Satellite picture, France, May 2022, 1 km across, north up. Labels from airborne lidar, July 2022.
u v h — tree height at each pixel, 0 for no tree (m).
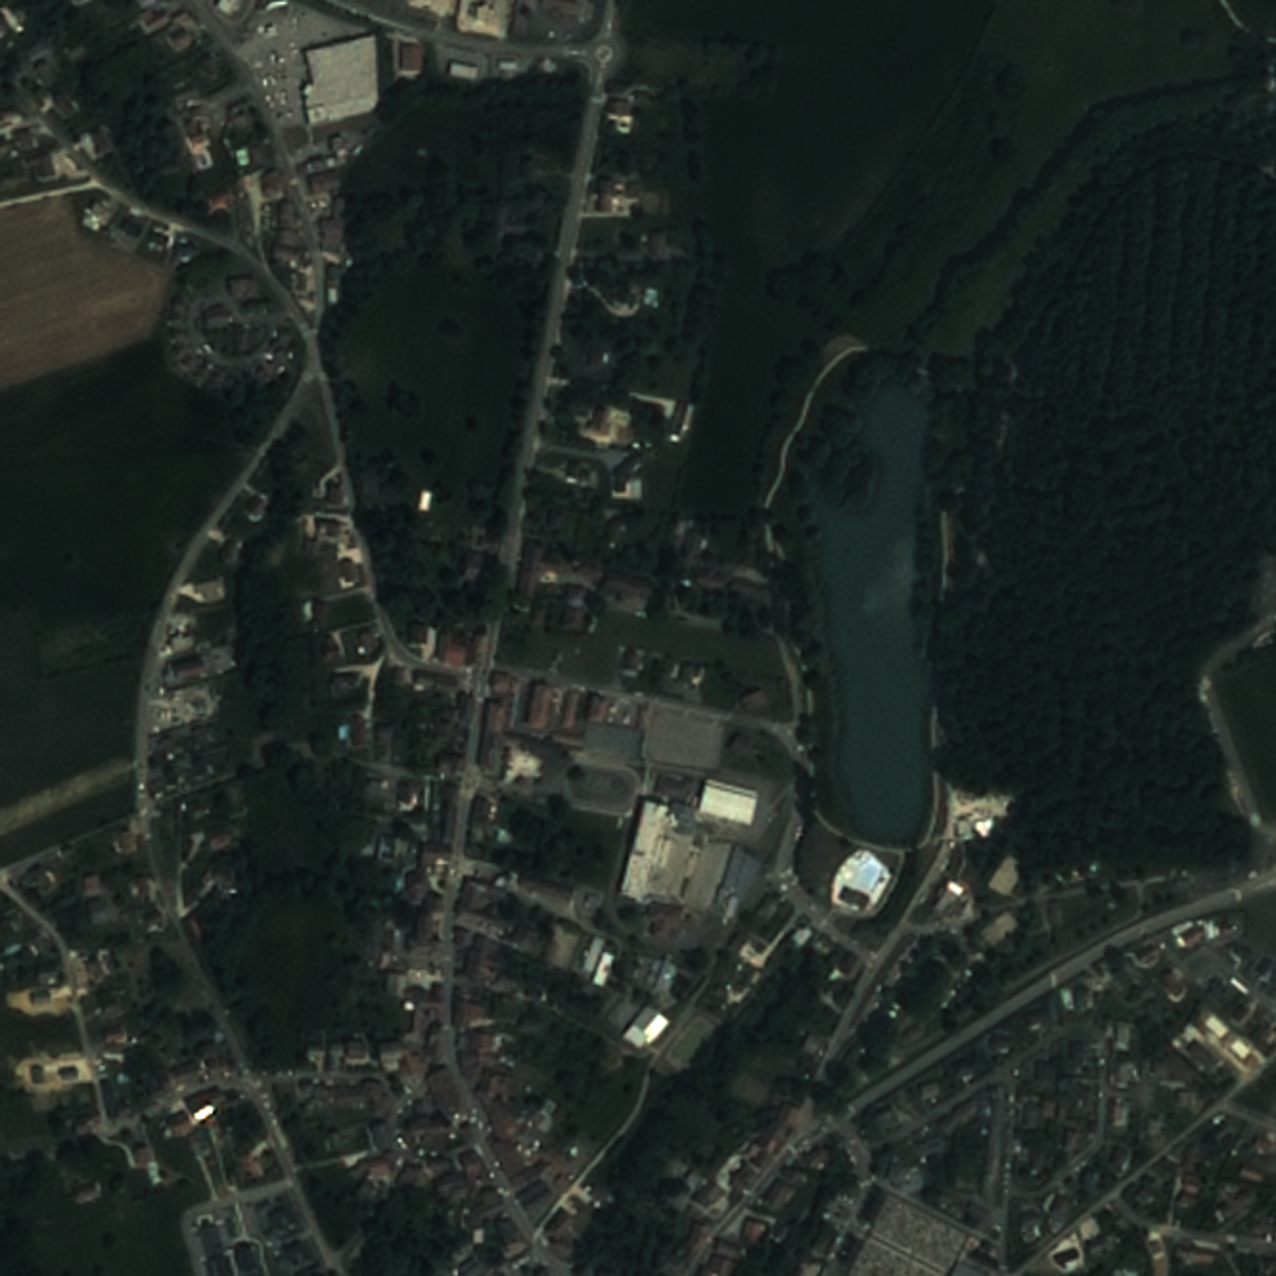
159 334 0
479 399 0
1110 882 0
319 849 0
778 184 0
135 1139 9
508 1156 0
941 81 0
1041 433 8
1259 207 14
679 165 0
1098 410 9
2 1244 22
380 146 0
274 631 21
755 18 0
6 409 0
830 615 0
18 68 13
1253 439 23
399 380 0
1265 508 27
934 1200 9
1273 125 9
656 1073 8
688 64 0
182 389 0
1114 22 0
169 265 0
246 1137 6
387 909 17
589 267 9
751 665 0
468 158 0
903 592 0
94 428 0
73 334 0
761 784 0
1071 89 0
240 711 0
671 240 6
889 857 0
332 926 0
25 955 6
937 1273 0
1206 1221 6
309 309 0
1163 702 25
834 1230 10
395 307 0
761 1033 11
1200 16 0
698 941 0
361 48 0
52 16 6
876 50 0
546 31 0
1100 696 26
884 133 0
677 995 15
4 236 0
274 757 19
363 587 0
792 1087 6
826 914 0
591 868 0
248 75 0
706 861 0
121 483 0
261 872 14
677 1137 16
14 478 0
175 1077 0
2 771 0
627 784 0
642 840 0
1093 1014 7
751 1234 0
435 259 10
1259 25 0
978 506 25
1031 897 11
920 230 11
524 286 20
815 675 10
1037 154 0
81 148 0
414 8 0
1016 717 26
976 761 18
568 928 12
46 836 0
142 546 0
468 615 9
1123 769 25
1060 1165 6
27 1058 0
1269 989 0
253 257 0
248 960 0
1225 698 0
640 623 0
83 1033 0
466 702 0
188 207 16
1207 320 21
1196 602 26
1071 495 22
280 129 0
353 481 7
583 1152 0
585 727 0
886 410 0
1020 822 24
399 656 0
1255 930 0
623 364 15
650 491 0
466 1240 6
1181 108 21
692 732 0
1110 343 18
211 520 0
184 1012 0
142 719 0
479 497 9
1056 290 13
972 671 24
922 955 9
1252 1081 0
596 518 9
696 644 0
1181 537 28
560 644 0
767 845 0
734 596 12
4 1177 22
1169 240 15
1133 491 23
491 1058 0
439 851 0
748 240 0
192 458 0
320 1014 0
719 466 0
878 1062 22
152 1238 0
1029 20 0
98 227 0
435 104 8
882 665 0
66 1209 0
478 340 0
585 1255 18
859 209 0
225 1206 0
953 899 0
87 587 0
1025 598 25
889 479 0
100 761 0
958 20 0
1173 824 25
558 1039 6
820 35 0
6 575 0
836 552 0
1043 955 12
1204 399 25
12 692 0
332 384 8
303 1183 0
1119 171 15
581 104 22
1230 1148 7
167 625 0
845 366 0
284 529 19
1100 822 32
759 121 0
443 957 0
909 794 0
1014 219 15
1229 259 15
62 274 0
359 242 22
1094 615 29
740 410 0
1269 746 0
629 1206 21
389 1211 8
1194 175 24
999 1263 7
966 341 0
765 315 0
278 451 14
